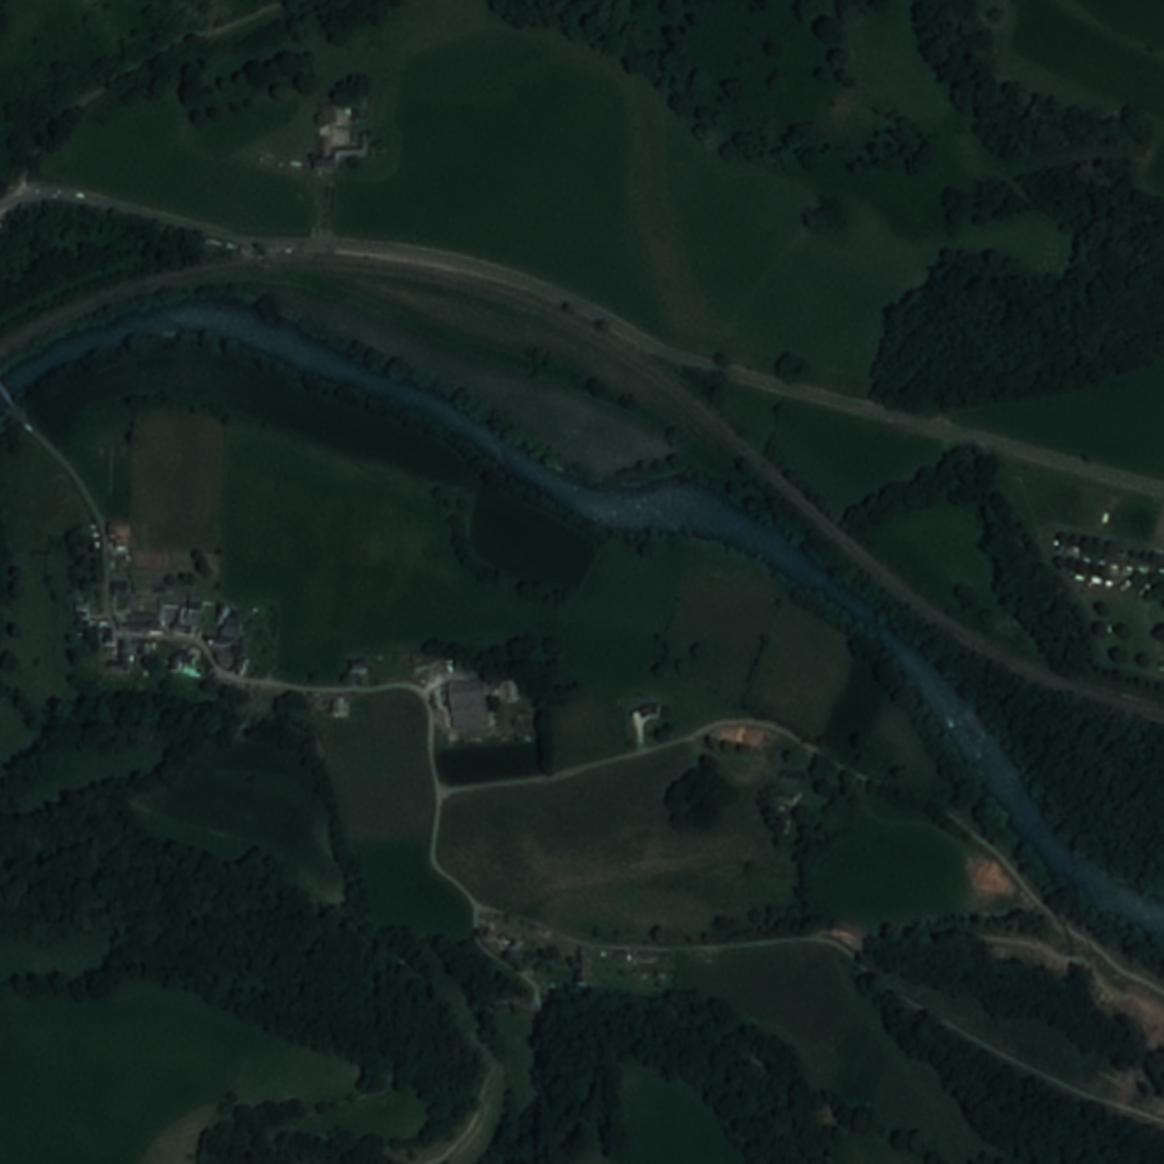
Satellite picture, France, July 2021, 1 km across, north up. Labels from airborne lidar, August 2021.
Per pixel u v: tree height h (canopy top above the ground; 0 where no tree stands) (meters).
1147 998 0
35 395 20
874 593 19
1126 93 0
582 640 0
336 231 0
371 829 0
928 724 17
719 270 0
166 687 12
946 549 0
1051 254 0
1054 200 20
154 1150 0
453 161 0
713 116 10
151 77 11
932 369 16
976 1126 21
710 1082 13
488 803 0
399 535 0
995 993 16
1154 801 36
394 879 0
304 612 0
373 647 0
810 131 16
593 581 0
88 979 8
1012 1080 20
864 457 0
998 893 0
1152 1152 26
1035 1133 20
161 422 0
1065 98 0
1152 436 0
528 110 0
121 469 0
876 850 0
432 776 0
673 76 20
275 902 29
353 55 0
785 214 0
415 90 0
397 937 20
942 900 0
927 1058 21
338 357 0
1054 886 12
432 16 0
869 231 0
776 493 8
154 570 0
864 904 0
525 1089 0
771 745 0
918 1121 0
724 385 8
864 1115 17
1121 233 23
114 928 11
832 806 10
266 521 0
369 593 0
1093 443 0
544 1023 14
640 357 0
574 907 0
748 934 9
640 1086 0
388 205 0
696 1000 20
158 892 24
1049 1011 16
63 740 23
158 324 0
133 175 0
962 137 0
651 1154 0
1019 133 23
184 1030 0
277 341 0
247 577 0
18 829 23
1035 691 12
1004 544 24
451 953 24
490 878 0
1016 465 0
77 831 16
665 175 0
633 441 0
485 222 0
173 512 0
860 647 19
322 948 23
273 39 13
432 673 0
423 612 0
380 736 0
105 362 17
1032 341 21
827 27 24
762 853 0
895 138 24
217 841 0
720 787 18
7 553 21
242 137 0
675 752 0
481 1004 31
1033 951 0
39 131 13
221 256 6
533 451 12
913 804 17
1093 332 27
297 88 15
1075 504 0
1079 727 30
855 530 16
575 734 0
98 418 0
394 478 0
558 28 18
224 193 0
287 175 0
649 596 0
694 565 0
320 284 0
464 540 12
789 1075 20
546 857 0
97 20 12
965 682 34
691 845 0
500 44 0
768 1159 21
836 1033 0
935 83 0
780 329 0
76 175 0
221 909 31
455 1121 17
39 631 0
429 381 10
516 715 0
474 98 0
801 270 0
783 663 0
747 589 0
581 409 0
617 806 0
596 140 0
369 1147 14
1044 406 0
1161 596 18
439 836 0
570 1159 17
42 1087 0
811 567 0
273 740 16
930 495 21
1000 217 13
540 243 0
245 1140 7
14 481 0
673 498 0
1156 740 22
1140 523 0
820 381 0
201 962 17
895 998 23
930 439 0
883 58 0
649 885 0
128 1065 0
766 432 0
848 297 0
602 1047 17
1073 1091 0
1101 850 27
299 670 0
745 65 8
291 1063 0
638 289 0
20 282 20
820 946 0
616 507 0
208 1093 0
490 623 0
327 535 0
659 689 0
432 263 0
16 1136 0
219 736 16
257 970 19
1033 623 25
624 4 15
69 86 17
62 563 0
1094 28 0
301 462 0
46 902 20
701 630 0
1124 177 20
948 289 21
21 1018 0
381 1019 22
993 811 28
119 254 9
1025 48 0
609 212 0
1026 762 19
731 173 0
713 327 0
